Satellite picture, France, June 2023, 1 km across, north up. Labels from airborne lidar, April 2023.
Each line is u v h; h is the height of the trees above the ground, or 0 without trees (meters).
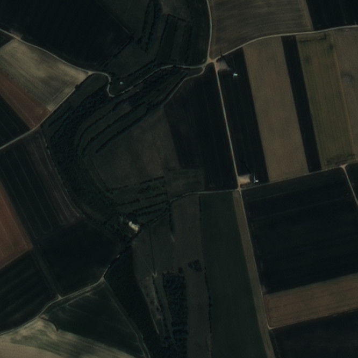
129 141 0
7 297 0
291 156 0
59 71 0
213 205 0
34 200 0
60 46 0
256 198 0
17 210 0
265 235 0
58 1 0
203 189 0
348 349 0
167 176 0
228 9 0
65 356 0
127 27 0
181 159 0
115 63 0
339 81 0
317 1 0
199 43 0
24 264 0
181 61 0
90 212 0
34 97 0
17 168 0
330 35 0
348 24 0
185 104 0
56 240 0
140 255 0
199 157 0
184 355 19
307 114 0
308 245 0
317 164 0
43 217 0
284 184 0
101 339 0
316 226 0
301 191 0
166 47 0
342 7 0
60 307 0
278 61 0
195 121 0
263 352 0
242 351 0
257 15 0
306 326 0
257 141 0
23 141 0
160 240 0
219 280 0
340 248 0
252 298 0
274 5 0
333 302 0
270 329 0
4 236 0
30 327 0
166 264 0
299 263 0
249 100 0
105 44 0
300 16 0
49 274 0
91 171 0
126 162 0
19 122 0
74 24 0
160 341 7
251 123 0
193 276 0
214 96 0
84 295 0
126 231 7
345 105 0
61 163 11
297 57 0
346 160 0
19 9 0
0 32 0
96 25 0
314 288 0
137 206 0
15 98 0
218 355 0
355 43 0
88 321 0
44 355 0
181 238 0
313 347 0
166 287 16
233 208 0
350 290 0
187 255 0
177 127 0
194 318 0
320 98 0
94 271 0
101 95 14
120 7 0
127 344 0
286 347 0
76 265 0
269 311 0
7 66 0
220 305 0
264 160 0
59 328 0
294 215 0
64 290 0
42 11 0
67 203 0
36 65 0
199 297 0
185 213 0
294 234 0
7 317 0
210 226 0
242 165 0
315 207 0
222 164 0
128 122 0
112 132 0
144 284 0
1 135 0
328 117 0
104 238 0
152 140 0
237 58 0
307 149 0
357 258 0
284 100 0
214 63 0
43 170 0
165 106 0
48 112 0
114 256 0
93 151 0
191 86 0
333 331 0
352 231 0
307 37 0
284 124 0
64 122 6
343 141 0
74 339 0
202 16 0
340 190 0
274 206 0
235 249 0
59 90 0
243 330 0
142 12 0
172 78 0
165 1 0
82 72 0
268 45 0
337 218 0
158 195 6
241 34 0
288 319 0
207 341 0
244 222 0
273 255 0
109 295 0
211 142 0
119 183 0
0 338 0
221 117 0
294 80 0
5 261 0
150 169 0
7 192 0
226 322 0
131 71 0
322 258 0
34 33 0
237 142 0
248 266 0
